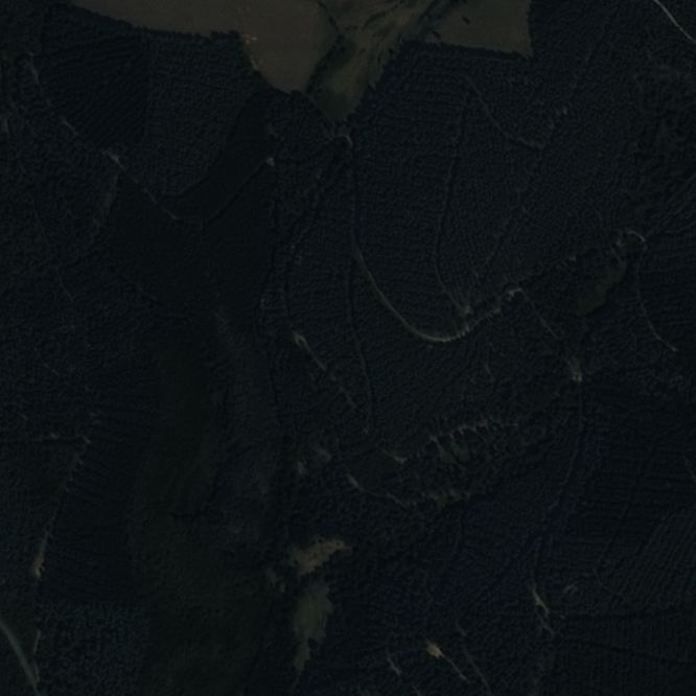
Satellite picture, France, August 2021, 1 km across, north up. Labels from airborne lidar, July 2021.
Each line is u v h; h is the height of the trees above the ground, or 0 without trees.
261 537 9
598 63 19
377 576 16
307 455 14
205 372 15
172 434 16
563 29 18
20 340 17
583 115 18
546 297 26
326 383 23
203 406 17
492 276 20
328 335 21
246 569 22
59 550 20
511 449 26
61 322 21
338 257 19
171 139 19
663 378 24
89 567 17
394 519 28
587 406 16
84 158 23
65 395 22
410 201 19
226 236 18
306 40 0
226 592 10
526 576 18
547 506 19
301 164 24
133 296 24
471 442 31
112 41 15
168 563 18
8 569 13
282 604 17
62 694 19
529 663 21
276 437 11
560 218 20
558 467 25
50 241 20
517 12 0
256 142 16
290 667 19
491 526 21
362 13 0
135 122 19
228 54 24
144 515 20
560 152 16
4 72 13
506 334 18
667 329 18
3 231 15
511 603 24
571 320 23
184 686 13
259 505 13
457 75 14
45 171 18
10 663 12
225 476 9
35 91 27
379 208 26
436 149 20
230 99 20
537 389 28
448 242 18
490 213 17
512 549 18
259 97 19
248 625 18
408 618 25
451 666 19
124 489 18
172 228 17
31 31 18
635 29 19
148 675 15
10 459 17
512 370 22
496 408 22
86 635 31
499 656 28
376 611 25
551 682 15
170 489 18
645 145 14
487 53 14
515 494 23
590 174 14
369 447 15
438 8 0
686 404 21
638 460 11
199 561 19
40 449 12
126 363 19
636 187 27
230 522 9
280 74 0
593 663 29
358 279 21
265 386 9
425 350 15
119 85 16
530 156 19
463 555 21
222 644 10
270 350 26
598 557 18
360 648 21
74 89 16
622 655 28
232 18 0
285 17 0
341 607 17
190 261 14
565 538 17
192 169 18
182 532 22
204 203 14
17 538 16
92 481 17
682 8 18
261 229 15
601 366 25
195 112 18
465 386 16
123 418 17
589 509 18
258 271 20
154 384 17
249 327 18
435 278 18
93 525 11
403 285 19
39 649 8
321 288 15
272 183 12
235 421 10
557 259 23
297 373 21
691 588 15
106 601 21
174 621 11
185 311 14
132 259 18
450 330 15
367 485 17
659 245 22
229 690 13
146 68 14
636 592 15
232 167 18
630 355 25
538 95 20
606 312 18
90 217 21
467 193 19
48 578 19
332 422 9
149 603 17
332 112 0
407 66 17
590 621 26
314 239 23
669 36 23
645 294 13
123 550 17
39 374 19
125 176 18
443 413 17
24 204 16
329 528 25
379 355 18
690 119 13
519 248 20
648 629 24
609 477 16
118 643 29
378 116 20
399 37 0
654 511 16
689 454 15
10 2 19
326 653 17
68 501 18
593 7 15
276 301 18
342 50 7
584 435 11
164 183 18
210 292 16
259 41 0
